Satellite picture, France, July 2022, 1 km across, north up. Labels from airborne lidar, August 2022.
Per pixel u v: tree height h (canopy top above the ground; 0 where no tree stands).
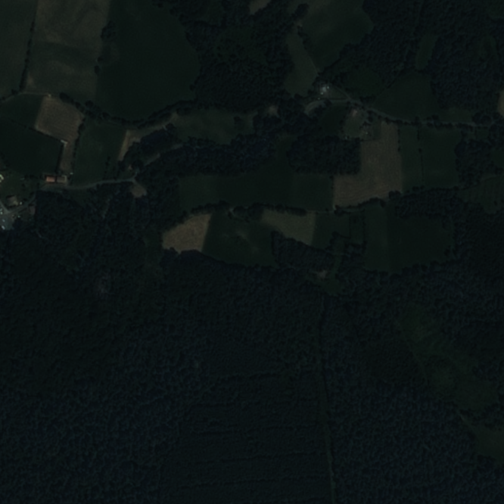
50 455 10
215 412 20
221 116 0
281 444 19
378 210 0
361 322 26
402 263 0
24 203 7
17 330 22
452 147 0
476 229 11
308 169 17
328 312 20
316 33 0
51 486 19
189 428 20
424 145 0
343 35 0
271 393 18
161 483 19
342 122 8
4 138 0
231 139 0
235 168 28
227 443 20
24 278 24
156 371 15
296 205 0
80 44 0
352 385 18
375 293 10
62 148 6
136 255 21
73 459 32
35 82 0
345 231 0
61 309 26
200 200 0
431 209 9
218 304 15
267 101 16
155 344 21
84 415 18
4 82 0
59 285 25
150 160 0
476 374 20
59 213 19
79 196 0
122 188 13
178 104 8
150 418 31
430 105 0
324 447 19
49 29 0
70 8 0
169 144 24
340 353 22
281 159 0
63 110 0
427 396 11
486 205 0
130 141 0
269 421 17
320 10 0
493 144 27
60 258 20
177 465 16
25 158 0
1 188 0
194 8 25
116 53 0
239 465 15
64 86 0
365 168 0
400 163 0
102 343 21
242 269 18
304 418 18
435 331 0
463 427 6
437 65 27
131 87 0
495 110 7
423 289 15
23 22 0
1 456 11
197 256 23
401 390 29
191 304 22
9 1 0
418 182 0
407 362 10
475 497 34
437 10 21
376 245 0
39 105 0
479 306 12
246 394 18
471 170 21
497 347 28
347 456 26
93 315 28
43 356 23
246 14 26
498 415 22
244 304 30
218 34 26
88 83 0
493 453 0
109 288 9
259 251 0
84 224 6
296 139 0
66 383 18
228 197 0
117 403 21
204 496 19
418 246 0
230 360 21
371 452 30
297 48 0
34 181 6
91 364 23
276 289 23
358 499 23
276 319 21
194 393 25
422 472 27
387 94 0
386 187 0
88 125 0
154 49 0
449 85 25
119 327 23
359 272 18
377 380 7
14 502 23
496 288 24
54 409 25
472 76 26
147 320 12
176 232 0
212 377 13
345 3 0
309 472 18
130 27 0
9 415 27
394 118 0
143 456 33
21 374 29
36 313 20
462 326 21
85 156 0
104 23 0
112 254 23
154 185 10
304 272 25
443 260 0
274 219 0
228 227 0
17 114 0
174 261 30
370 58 17
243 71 11
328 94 0
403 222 9
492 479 26
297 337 15
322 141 21
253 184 0
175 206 8
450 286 27
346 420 24
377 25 22
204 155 24
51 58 0
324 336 18
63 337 22
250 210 8
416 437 30
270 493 19
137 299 6
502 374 24
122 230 22
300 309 23
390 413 21
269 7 14
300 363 9
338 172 13
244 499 18
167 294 20
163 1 17
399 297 20
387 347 10
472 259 11
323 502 19
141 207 30
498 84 17
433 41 0
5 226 0
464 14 21
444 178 0
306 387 17
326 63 0
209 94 12
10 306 30
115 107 0
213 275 22
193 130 0
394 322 16
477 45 27
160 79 0
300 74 0
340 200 0
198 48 30
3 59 0
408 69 18
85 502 11
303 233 0
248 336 12
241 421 20
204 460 13
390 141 0
